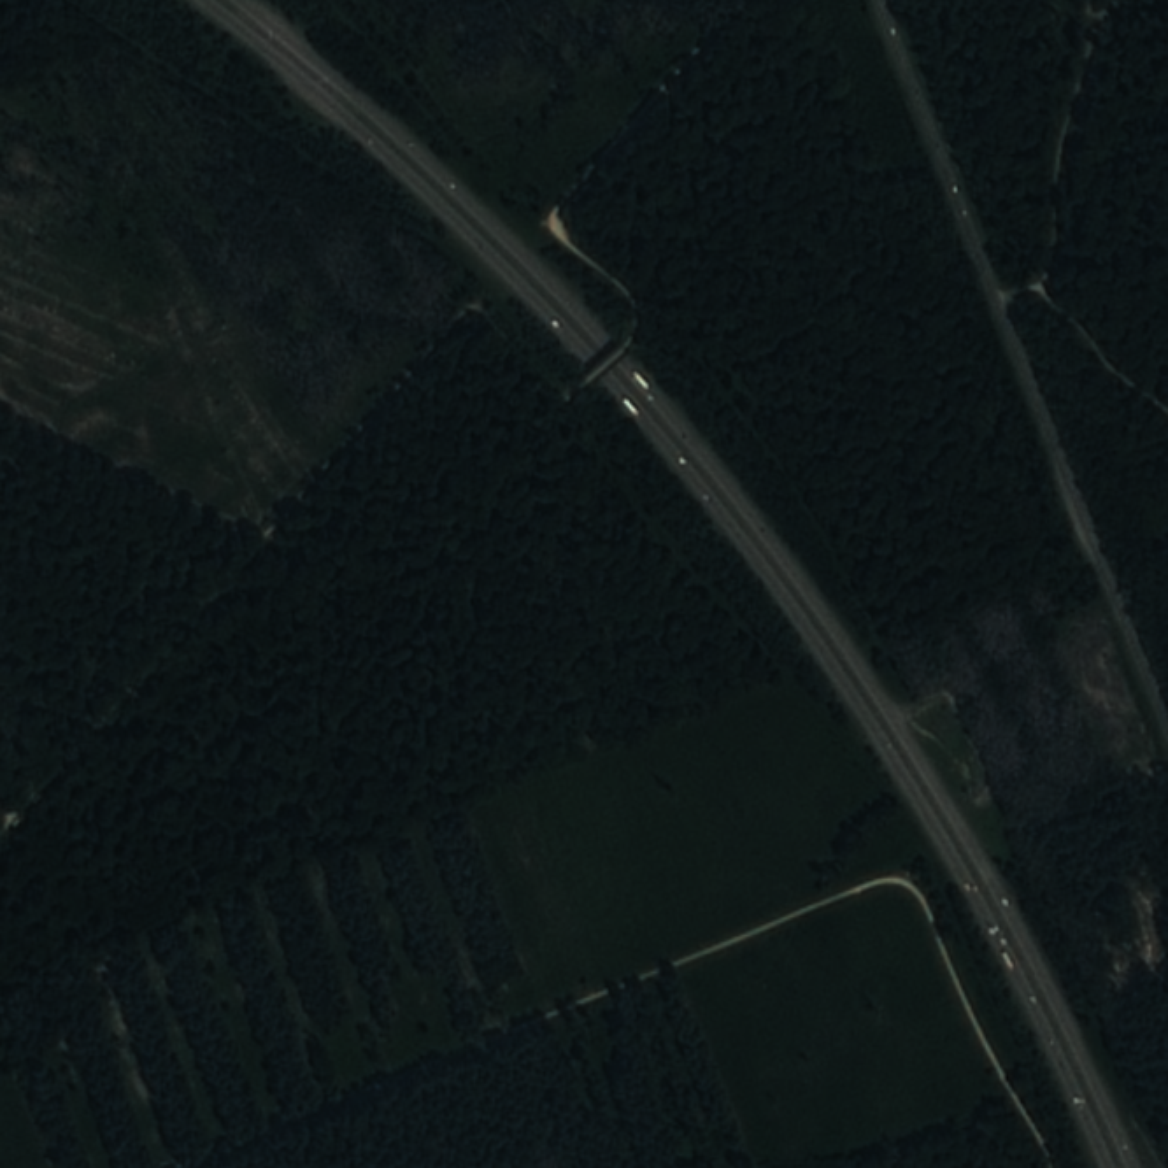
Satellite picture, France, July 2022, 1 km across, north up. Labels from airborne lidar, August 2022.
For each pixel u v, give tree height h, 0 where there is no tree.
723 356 11
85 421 0
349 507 21
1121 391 14
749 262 22
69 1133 23
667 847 0
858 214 25
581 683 22
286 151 14
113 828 22
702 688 26
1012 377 10
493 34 23
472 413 22
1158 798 23
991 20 29
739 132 27
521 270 0
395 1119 30
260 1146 26
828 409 24
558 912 0
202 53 10
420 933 15
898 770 0
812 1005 0
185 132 16
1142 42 29
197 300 0
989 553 26
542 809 0
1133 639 0
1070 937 18
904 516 25
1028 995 0
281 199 18
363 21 18
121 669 27
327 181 16
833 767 0
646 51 0
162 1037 26
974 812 0
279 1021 27
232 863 12
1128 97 29
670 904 0
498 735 24
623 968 0
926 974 0
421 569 28
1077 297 27
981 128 23
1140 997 27
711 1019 0
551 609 26
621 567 24
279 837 24
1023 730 18
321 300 19
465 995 28
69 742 18
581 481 28
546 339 8
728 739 0
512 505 22
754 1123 0
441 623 26
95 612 24
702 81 23
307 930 25
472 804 19
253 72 7
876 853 0
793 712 0
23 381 0
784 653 15
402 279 21
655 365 10
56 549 27
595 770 0
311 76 0
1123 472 22
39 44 23
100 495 28
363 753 25
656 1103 22
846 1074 0
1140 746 0
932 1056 0
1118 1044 17
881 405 28
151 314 0
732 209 25
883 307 27
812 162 26
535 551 26
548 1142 24
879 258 25
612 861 0
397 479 23
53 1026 19
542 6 21
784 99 29
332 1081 15
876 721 0
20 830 11
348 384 0
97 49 21
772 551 0
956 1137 21
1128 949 27
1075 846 24
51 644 22
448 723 28
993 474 27
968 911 8
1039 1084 9
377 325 21
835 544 9
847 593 15
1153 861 26
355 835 23
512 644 28
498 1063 23
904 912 0
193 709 24
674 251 26
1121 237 25
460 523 26
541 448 24
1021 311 12
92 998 25
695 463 0
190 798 24
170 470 0
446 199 0
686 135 28
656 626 26
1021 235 20
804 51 27
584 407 13
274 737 27
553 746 22
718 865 0
